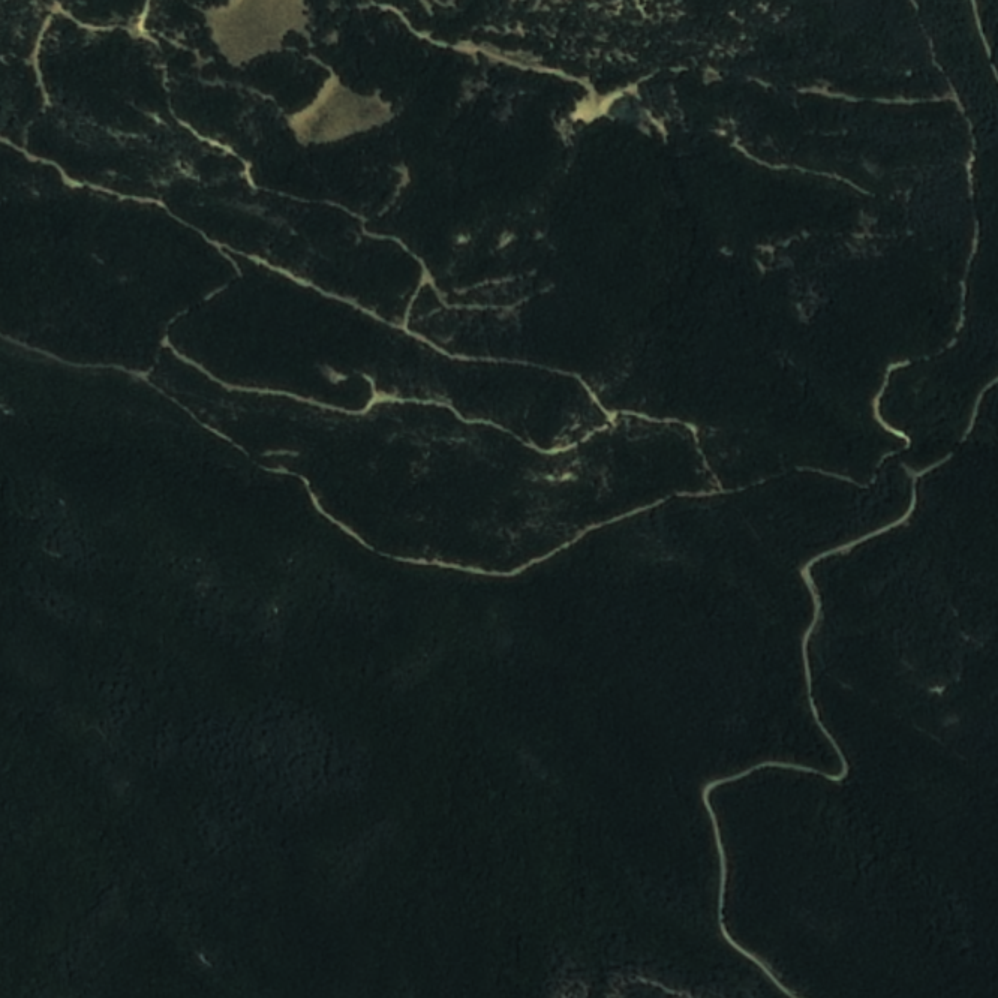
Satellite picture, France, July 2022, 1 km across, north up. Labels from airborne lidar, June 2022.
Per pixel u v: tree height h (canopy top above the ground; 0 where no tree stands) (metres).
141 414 8
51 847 12
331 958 7
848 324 11
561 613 10
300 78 7
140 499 9
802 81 7
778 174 7
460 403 6
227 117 8
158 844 6
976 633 10
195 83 7
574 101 6
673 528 7
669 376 11
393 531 8
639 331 9
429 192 8
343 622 6
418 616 8
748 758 6
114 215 7
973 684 10
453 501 9
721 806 7
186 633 9
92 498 6
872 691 7
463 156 10
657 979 14
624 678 8
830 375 8
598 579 7
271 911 6
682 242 11
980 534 9
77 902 9
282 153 9
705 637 6
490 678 7
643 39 8
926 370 12
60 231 7
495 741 7
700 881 9
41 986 10
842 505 9
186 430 7
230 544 7
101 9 6
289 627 6
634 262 9
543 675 10
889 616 6
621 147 7
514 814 11
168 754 6
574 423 6
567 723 10
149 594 5
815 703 8
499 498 7
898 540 9
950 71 10
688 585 5
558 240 8
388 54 9
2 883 8
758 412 10
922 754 11
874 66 9
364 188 8
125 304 8
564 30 11
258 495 10
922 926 14
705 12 6
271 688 8
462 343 7
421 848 10
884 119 7
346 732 7
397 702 7
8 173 7
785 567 7
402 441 6
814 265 6
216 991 9
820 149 6
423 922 10
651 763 9
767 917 8
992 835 11
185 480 8
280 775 13
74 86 8
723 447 6
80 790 12
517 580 6
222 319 10
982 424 8
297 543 8
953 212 13
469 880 13
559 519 6
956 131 7
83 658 12
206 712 6
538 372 9
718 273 10
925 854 11
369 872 10
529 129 10
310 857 6
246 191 7
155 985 9
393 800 8
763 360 11
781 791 12
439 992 6
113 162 6
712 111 6
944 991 8
